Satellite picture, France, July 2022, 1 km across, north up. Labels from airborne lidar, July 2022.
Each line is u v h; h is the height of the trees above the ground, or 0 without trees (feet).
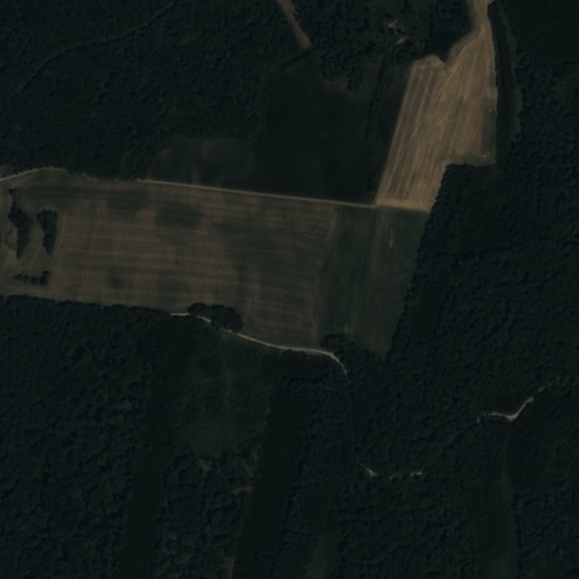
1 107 55
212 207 0
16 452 68
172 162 0
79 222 0
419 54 51
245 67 69
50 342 65
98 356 87
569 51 35
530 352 71
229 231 0
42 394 83
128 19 56
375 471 79
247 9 56
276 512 31
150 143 61
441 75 0
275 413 27
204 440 0
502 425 78
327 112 0
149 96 59
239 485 99
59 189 0
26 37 65
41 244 0
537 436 38
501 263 90
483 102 0
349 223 0
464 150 0
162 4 50
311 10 78
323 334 0
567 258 62
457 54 0
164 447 44
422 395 71
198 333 47
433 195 0
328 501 54
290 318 0
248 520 24
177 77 65
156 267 0
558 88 82
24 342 75
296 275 0
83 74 76
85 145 70
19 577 73
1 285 0
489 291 93
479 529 39
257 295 0
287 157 0
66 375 72
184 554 77
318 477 63
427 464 82
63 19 69
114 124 65
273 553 35
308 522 52
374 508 70
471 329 89
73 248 0
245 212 0
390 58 48
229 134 53
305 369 31
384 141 0
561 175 68
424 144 0
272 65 68
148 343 63
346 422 55
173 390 40
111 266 0
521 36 34
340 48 64
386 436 77
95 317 68
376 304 0
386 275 0
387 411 88
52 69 66
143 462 56
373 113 38
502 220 29
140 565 49
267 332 0
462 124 0
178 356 48
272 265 0
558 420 31
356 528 85
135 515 39
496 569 0
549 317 79
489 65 0
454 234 85
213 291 0
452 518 67
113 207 0
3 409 74
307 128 0
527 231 53
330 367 55
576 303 42
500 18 53
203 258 0
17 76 56
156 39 58
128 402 77
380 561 68
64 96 80
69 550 88
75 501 79
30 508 77
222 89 83
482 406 66
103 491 84
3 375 70
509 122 28
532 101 56
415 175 0
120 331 75
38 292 0
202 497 50
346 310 0
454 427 95
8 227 0
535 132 60
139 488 39
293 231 0
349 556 57
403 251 0
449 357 82
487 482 27
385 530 66
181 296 0
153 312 47
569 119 77
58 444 77
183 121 78
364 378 50
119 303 0
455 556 82
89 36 54
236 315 57
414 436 85
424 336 29
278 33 68
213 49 45
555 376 66
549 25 46
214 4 63
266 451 22
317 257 0
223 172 0
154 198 0
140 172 65
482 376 90
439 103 0
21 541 66
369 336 0
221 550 96
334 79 42
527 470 29
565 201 66
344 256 0
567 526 68
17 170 26
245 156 0
